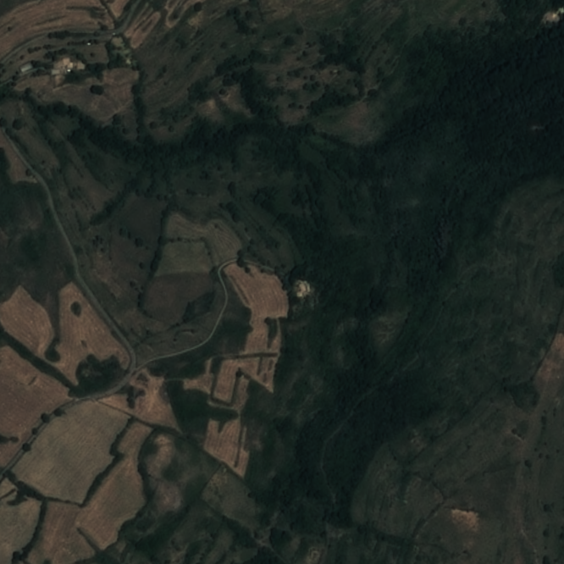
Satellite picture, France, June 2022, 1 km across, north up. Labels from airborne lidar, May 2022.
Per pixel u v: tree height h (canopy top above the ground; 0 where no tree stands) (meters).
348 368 9
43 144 0
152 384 0
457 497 0
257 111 17
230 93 0
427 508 0
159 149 11
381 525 0
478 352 0
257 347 0
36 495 9
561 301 0
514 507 0
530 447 0
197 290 0
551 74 19
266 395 0
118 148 16
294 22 0
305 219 6
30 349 0
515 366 0
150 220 0
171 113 6
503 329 0
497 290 0
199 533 0
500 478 0
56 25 0
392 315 0
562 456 0
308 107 7
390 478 0
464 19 7
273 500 7
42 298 0
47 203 0
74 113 19
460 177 6
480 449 0
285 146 5
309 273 7
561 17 9
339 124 0
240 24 13
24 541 0
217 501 0
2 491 0
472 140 13
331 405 5
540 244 0
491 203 8
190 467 0
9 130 11
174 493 0
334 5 0
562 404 0
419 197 0
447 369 0
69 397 0
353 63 17
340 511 8
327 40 14
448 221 9
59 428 0
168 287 0
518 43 20
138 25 0
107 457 0
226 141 20
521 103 9
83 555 0
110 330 0
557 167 6
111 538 0
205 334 0
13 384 0
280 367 9
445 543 0
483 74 19
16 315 0
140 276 0
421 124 8
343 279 9
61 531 0
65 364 0
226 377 0
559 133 15
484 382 0
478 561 0
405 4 0
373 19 0
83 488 0
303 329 6
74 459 0
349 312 12
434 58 11
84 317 0
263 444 0
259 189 12
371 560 0
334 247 11
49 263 0
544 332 0
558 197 0
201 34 8
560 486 0
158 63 0
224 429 0
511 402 0
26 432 0
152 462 0
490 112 16
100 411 0
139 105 13
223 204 10
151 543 7
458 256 0
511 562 0
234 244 0
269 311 0
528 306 0
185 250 0
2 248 0
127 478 0
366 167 16
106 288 0
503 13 11
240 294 0
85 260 0
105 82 0
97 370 0
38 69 10
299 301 16
